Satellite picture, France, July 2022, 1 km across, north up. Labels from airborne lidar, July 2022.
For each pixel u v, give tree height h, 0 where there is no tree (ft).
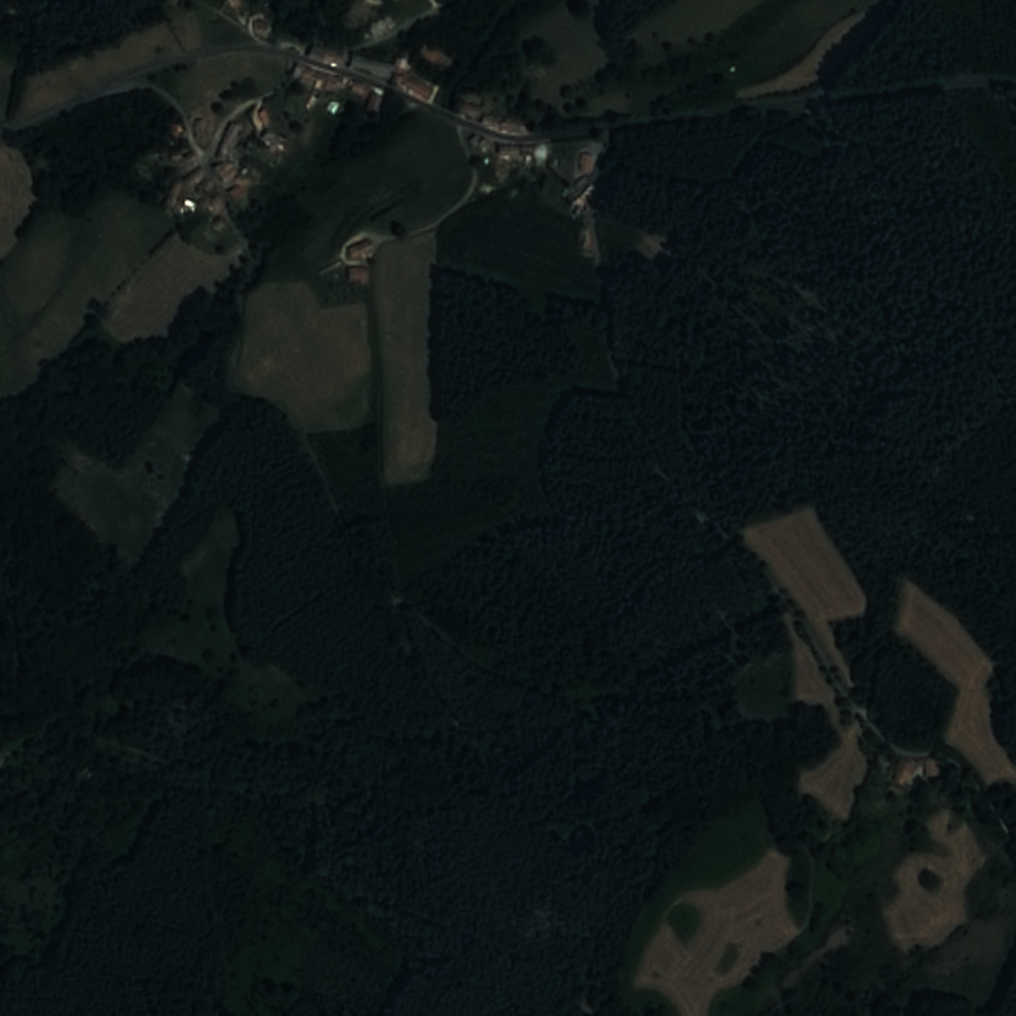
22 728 76
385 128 57
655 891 103
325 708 52
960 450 39
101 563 61
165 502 0
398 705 77
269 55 0
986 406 86
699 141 50
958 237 93
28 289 0
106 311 68
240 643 26
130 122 20
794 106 0
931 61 102
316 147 0
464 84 29
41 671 91
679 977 0
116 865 66
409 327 0
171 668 91
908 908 0
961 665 0
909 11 108
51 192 72
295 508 70
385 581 68
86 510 0
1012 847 42
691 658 88
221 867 26
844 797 0
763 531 0
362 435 19
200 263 0
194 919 78
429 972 82
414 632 83
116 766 37
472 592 29
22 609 56
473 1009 114
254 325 0
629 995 0
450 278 79
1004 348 79
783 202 25
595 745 97
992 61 26
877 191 102
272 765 66
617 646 90
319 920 20
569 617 70
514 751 78
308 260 0
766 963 47
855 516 84
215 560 0
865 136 99
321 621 77
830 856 51
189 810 57
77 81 0
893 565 70
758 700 0
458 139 0
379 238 0
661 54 0
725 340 37
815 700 0
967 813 37
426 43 38
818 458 84
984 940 0
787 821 40
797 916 0
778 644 75
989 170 87
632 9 104
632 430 83
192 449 0
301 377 0
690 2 0
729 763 75
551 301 44
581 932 94
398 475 0
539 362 73
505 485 20
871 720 21
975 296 90
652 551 85
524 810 106
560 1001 108
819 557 0
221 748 36
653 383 92
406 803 89
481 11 49
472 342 80
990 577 34
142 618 41
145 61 0
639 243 0
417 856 96
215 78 0
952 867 0
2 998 66
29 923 47
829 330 91
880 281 106
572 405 75
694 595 93
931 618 0
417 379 0
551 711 112
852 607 0
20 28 54
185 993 77
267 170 0
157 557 67
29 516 85
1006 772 0
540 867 95
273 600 74
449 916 108
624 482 79
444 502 20
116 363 64
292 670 66
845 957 21
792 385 106
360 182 0
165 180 26
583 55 0
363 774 64
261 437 82
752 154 44
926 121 82
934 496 40
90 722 34
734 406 89
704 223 100
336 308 0
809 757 82
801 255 95
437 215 0
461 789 71
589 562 82
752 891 0
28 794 34
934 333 74
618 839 124
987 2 22
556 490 80
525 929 91
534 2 60
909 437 94
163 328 0
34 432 77
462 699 103
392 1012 79
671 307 36
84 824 60
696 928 0
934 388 92
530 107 41
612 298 84
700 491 78
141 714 23
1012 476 33
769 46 0
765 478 81
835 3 0
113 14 102
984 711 0
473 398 79
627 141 50
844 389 100
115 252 0
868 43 117
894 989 22
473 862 95
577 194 0
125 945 68
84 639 73
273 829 50
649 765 103
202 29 0
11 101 24
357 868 68
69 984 78
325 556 75
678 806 72
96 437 57
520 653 53
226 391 84
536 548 87
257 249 35
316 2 22
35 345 0
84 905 78
